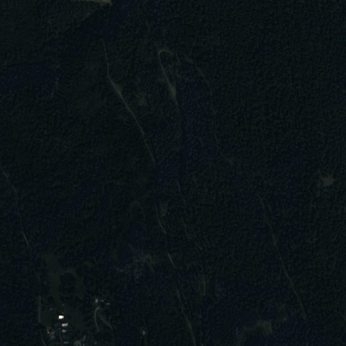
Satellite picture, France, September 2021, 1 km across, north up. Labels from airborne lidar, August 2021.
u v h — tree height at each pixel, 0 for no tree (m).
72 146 24
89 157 23
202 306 0
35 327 18
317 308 19
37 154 31
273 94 14
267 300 18
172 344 16
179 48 27
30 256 22
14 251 26
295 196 24
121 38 16
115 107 7
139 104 28
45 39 25
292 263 8
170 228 16
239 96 19
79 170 28
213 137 31
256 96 15
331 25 10
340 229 16
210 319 16
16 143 31
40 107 32
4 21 13
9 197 20
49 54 24
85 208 21
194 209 6
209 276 19
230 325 33
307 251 15
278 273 26
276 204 28
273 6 14
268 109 14
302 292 7
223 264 15
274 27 20
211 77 17
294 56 12
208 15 16
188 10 27
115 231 10
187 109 31
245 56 14
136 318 23
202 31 17
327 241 18
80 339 8
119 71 6
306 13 9
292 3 8
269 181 30
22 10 14
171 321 15
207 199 19
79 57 7
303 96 11
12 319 23
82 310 8
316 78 16
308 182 18
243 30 18
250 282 19
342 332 13
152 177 9
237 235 26
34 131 28
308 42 17
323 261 7
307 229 15
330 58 9
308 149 13
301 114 20
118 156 12
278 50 9
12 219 26
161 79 31
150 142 8
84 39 11
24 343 28
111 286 7
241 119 16
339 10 10
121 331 28
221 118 18
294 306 30
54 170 20
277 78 15
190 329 0
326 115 12
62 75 12
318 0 13
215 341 33
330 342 14
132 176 9
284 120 7
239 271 24
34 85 22
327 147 15
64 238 27
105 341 21
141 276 23
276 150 17
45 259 0
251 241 22
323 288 19
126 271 25
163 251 26
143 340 12
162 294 33
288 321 0
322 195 9
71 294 24
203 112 16
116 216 12
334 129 18
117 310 25
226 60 19
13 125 29
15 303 18
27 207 29
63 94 9
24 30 16
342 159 21
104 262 22
